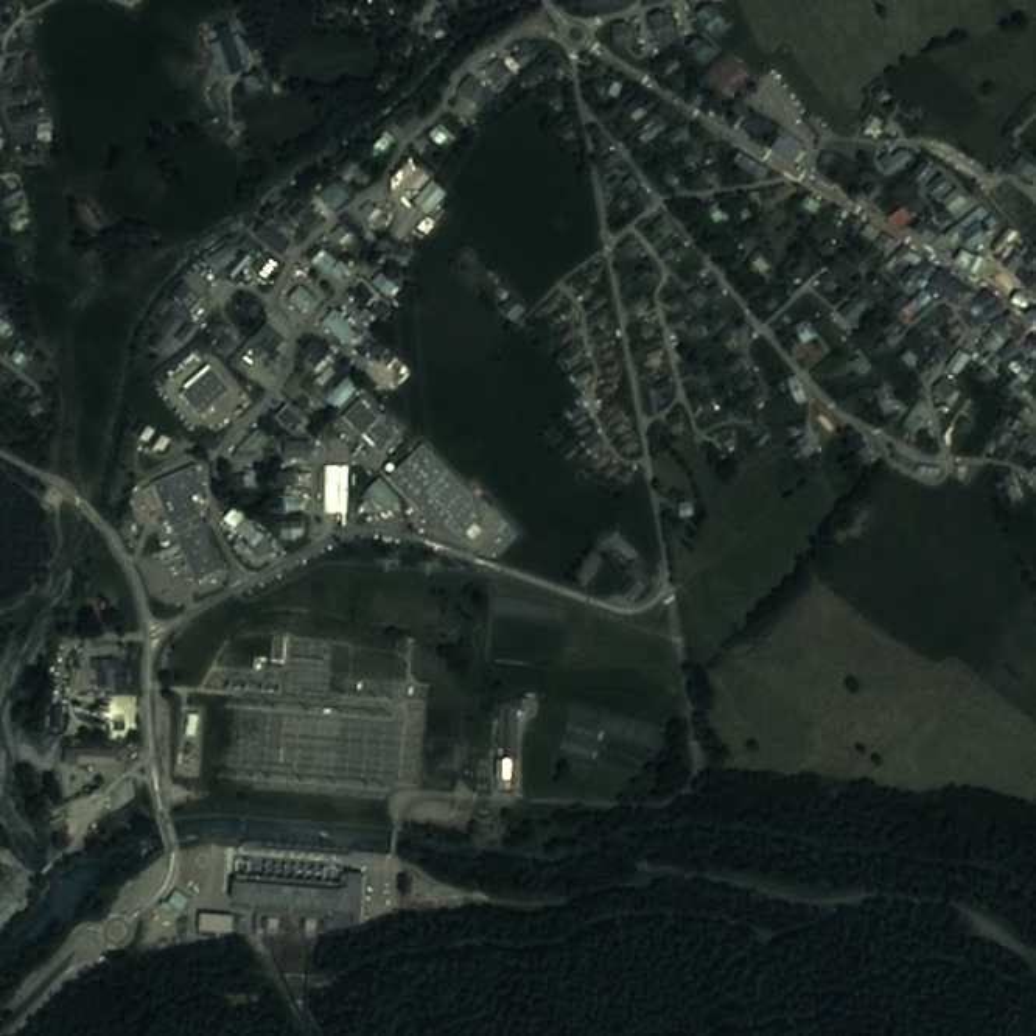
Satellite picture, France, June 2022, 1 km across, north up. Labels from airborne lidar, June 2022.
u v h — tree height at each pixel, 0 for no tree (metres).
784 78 0
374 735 0
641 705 0
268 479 13
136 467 0
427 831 9
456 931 22
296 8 19
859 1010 29
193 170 0
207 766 0
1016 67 0
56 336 0
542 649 0
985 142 0
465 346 0
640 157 11
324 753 0
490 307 8
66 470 0
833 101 0
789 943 19
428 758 0
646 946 24
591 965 20
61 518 0
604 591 0
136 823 18
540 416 0
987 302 0
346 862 0
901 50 0
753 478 0
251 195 16
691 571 0
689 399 5
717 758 12
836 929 18
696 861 16
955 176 8
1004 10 0
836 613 0
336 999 19
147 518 0
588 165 13
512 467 0
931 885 16
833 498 0
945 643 0
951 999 16
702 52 0
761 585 0
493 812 0
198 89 0
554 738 0
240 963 8
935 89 0
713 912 29
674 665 0
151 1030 26
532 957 18
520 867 17
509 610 0
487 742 0
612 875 21
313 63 0
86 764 0
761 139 7
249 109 0
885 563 0
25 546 16
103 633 20
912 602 0
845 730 0
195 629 0
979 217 0
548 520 0
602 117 16
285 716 0
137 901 0
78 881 0
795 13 0
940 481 0
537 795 0
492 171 0
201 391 0
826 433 0
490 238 0
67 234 0
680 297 6
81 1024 11
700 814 27
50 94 0
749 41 0
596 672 0
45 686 20
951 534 0
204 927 0
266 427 11
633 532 0
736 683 0
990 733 0
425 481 0
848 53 0
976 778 0
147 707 0
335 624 0
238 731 0
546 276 0
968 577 0
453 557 0
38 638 0
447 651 14
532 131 0
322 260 0
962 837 33
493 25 17
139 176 0
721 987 26
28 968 19
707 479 0
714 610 0
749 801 16
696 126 14
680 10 0
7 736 0
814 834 26
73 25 0
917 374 6
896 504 0
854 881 26
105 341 0
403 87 11
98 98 0
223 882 0
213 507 0
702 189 0
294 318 0
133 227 19
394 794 0
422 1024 9
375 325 12
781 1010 16
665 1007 18
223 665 0
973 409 0
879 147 0
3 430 10
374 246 8
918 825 26
